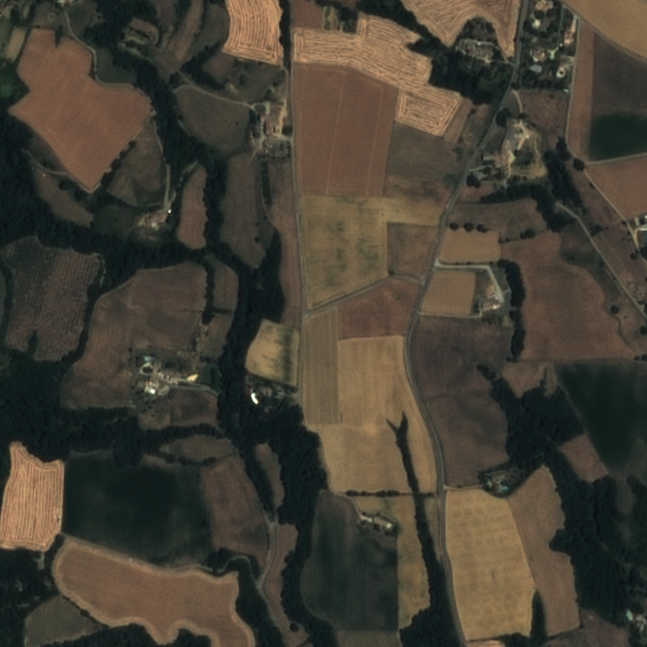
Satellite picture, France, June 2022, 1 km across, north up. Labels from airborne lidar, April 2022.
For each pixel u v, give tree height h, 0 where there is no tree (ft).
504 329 0
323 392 0
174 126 72
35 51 0
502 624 0
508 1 0
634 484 39
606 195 0
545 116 0
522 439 63
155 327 0
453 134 0
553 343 0
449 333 0
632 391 0
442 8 0
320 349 0
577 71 0
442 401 0
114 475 0
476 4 0
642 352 0
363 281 0
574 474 23
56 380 45
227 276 0
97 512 0
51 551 23
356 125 0
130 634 43
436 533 0
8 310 28
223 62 0
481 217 0
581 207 26
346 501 0
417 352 0
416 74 0
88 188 0
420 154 0
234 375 66
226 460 0
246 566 35
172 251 48
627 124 0
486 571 0
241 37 0
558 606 0
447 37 0
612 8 0
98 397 0
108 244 69
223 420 62
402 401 0
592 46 0
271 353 0
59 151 0
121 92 0
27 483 0
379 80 0
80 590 0
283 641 42
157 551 0
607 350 0
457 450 0
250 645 0
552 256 0
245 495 0
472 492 0
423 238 0
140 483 0
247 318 47
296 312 0
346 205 0
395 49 0
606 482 39
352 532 0
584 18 0
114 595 0
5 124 71
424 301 0
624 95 0
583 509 65
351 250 0
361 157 0
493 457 0
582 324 0
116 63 40
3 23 0
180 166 31
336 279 0
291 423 61
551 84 49
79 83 0
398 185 0
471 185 36
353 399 0
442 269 0
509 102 0
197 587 0
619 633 0
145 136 0
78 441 65
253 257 0
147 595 0
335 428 0
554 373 0
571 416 26
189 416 0
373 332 0
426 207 0
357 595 0
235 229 0
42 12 0
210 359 37
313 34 0
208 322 47
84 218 0
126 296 0
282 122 0
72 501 0
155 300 0
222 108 0
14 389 50
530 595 0
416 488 33
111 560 0
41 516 0
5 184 51
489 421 0
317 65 0
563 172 39
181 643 32
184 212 0
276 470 0
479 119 0
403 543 0
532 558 0
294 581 19
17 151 46
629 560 52
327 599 0
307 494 67
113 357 0
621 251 0
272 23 0
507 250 0
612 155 0
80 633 0
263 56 0
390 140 0
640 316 0
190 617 0
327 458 0
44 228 39
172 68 0
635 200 0
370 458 0
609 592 50
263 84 0
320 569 0
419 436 0
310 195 0
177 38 0
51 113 0
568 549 40
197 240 0
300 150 0
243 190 0
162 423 0
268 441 46
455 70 26
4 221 77
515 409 55
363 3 27
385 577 0
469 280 0
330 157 0
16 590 37
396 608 0
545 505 0
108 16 37
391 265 0
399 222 0
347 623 0
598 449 0
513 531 0
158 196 0
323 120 0
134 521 0
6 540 0
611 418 0
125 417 29
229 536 0
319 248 0
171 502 0
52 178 0
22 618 29
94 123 0
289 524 33
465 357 0
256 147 0
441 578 49
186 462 33
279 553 0
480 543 0
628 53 0
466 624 0
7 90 0
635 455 0
